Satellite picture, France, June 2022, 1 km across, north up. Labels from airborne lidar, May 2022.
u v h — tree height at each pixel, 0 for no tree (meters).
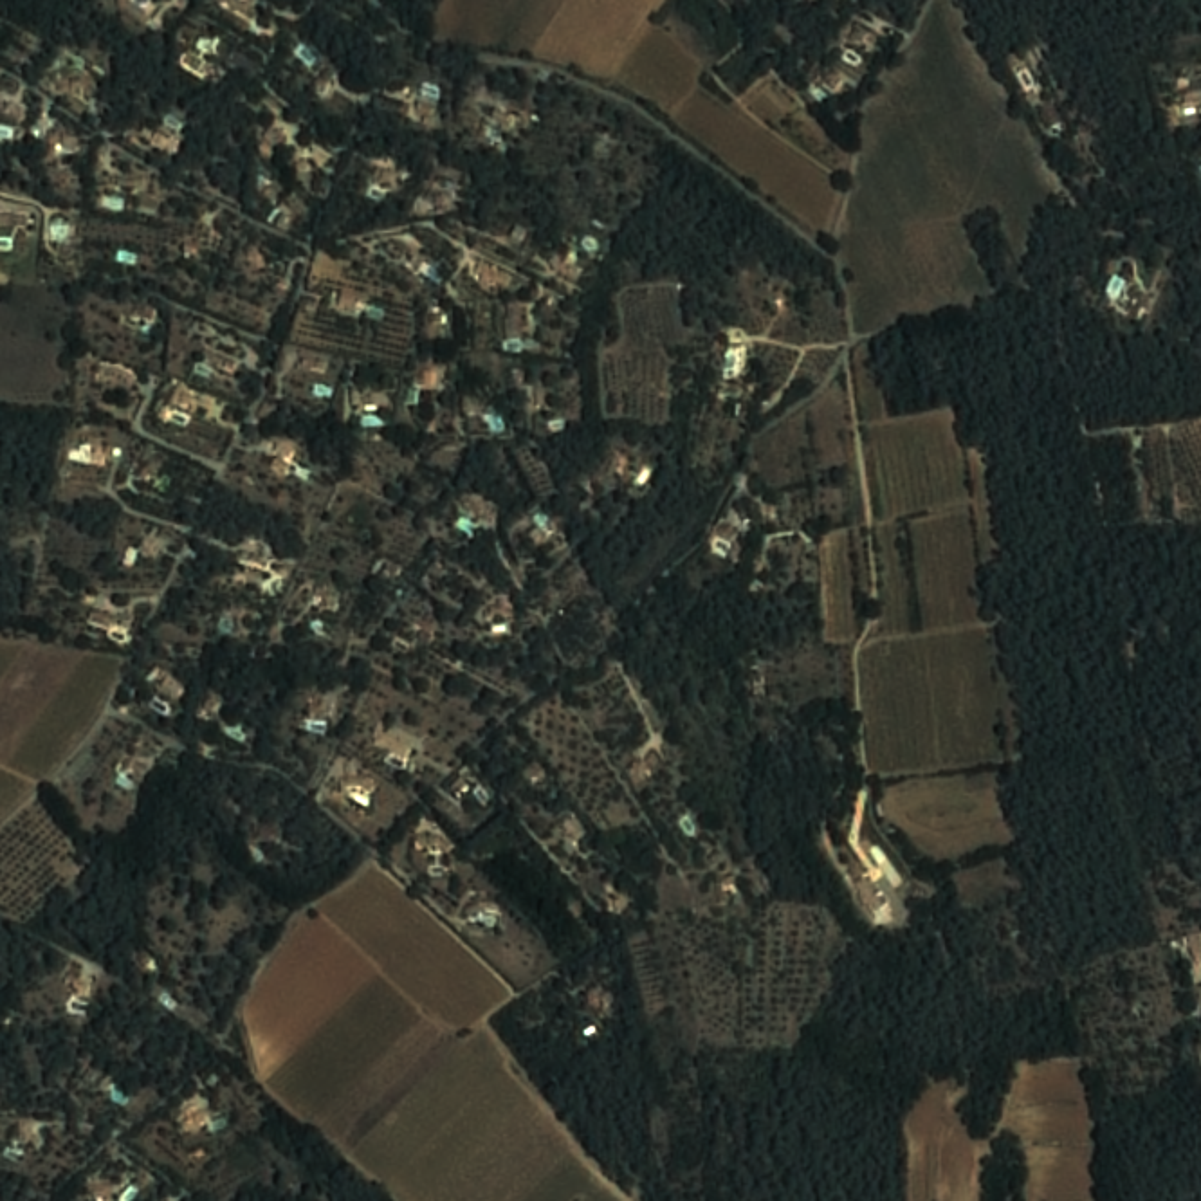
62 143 0
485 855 7
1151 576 17
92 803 9
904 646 0
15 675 0
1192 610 16
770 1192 17
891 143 0
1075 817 18
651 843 5
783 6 19
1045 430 18
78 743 0
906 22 20
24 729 0
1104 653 21
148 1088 14
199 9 20
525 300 10
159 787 10
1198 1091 12
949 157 0
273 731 20
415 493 19
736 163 0
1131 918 18
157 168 19
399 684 16
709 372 8
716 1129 15
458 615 14
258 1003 0
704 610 10
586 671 10
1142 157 6
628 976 9
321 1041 0
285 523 20
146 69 22
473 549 14
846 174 11
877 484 0
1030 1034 7
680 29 0
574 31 0
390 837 12
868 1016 22
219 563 22
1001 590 14
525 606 11
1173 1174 16
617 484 8
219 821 22
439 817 16
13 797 0
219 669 14
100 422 11
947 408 23
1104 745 17
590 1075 10
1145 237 21
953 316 15
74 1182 9
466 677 6
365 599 7
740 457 6
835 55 6
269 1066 0
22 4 12
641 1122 15
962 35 0
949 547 0
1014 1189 13
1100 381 15
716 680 10
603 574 25
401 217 14
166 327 8
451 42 5
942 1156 0
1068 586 15
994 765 6
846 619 0
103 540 19
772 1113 19
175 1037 19
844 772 12
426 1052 0
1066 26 18
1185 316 16
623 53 0
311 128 9
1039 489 16
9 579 20
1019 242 0
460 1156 0
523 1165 0
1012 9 19
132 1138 8
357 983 0
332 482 6
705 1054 6
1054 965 11
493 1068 0
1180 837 11
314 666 19
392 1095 0
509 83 16
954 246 0
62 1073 20
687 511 20
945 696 0
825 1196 21
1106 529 9
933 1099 0
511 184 10
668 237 19
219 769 21
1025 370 23
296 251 6
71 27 14
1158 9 21
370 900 0
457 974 0
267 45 9
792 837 18
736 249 19
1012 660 22
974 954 19
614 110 9
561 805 12
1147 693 18
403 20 15
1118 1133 19
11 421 18
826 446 0
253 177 21
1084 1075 12
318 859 18
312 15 8
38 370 0
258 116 6
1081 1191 0
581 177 12
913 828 0
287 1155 9
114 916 22
